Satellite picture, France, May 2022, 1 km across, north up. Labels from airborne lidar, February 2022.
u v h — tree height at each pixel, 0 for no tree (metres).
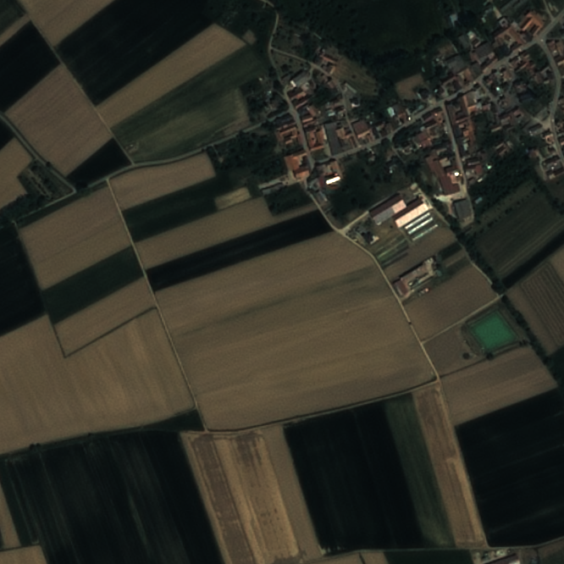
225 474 0
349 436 0
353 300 0
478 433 0
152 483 0
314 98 7
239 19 0
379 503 0
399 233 0
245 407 0
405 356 0
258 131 0
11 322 0
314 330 0
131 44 0
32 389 0
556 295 0
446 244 0
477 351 0
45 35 0
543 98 0
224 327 0
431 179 0
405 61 18
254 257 0
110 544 0
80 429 0
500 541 0
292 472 0
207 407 0
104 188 0
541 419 0
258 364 0
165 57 0
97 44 0
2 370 0
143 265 0
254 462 0
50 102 0
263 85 0
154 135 0
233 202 0
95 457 0
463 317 0
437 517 0
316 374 0
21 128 0
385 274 0
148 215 0
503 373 0
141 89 0
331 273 0
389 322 0
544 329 0
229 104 0
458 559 0
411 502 0
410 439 0
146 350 0
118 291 0
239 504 0
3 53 0
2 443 0
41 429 0
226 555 0
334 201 0
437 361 0
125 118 0
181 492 0
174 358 0
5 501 0
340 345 0
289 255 0
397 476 0
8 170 0
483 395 0
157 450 0
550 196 0
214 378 0
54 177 0
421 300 0
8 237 0
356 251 0
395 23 0
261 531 0
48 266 0
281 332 0
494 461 0
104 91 0
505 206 0
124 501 0
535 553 0
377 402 0
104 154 0
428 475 0
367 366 0
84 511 0
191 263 0
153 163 0
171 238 0
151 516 0
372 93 0
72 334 0
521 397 0
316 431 0
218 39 0
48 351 0
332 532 0
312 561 0
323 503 0
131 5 0
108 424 0
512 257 0
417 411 0
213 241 0
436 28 0
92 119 0
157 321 0
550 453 0
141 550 0
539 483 0
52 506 0
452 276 0
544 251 0
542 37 0
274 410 0
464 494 0
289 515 0
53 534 0
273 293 0
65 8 0
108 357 0
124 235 0
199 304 0
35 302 0
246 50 0
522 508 0
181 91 0
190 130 0
